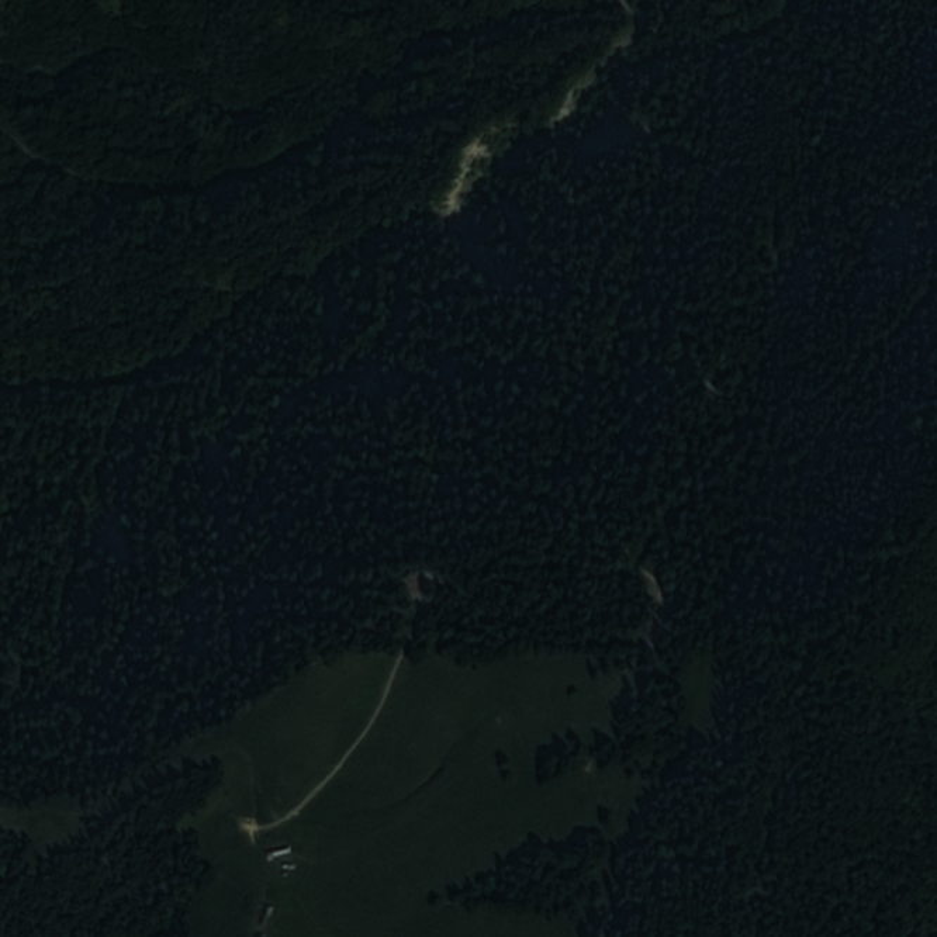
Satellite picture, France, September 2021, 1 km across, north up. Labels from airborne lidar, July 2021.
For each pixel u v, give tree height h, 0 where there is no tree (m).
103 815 0
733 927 22
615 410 20
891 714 24
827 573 24
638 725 23
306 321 14
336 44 23
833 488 33
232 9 27
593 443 27
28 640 17
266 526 25
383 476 20
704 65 28
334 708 0
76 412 20
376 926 0
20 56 7
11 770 19
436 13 24
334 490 18
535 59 22
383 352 24
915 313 10
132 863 19
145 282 16
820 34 31
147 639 24
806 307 32
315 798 0
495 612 19
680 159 15
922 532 20
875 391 26
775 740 22
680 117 25
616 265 29
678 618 31
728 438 36
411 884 0
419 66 28
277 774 0
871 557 26
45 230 26
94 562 22
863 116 23
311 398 32
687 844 21
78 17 14
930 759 28
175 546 20
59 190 32
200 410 31
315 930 0
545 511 21
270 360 22
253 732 0
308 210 13
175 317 18
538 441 25
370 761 0
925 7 22
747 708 21
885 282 35
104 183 12
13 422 20
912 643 15
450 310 26
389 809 0
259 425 19
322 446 23
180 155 9
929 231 22
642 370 13
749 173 23
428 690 0
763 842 17
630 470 37
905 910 28
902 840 25
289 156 7
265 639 24
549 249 22
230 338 19
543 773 18
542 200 23
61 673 26
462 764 0
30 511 15
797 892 34
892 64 18
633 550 26
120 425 19
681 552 25
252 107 12
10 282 16
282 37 14
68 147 6
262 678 13
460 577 21
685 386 24
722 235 34
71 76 10
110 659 16
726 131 31
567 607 25
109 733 15
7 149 22
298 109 13
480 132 14
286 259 17
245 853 0
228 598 12
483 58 28
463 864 0
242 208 28
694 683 0
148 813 18
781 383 26
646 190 25
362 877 0
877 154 28
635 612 27
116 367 27
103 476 14
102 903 12
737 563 26
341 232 24
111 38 14
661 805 19
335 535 38
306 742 0
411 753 0
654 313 32
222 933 0
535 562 18
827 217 34
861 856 21
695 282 25
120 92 18
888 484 17
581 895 19
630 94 16
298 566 31
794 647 23
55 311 19
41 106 13
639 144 7
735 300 29
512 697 0
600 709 0
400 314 17
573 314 26
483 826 0
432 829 0
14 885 22
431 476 25
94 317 15
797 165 22
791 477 32
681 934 21
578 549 19
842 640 22
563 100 20
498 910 16
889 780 19
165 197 25
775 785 28
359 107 10
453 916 0
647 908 24
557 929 0
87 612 9
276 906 0
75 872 19
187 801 17
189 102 15
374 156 28
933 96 35
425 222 23
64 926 19
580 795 0
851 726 19
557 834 0
